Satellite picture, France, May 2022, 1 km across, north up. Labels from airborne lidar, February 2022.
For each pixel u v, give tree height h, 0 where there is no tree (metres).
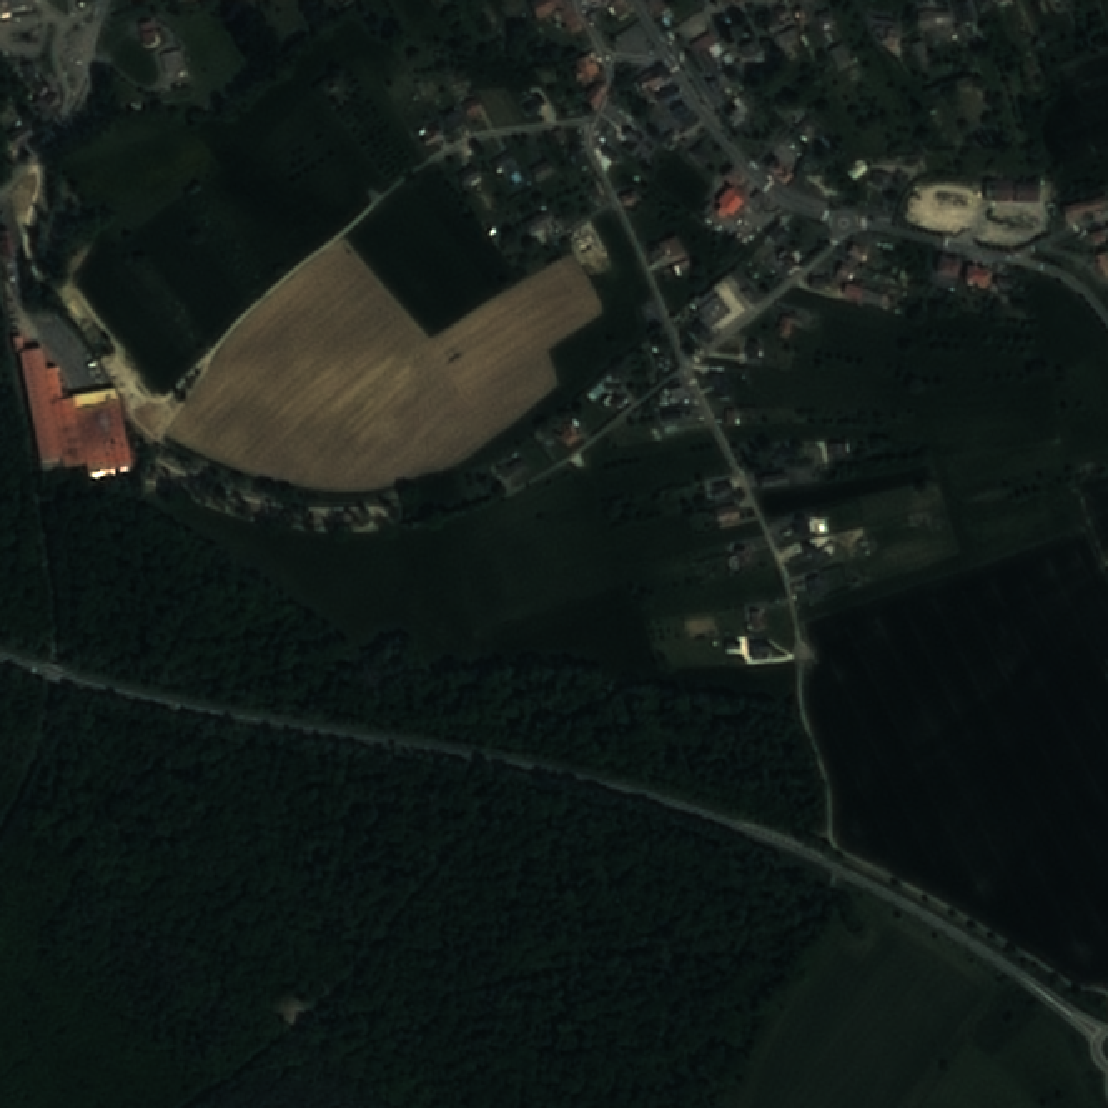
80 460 0
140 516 26
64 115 0
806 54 0
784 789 21
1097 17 6
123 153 0
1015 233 0
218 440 0
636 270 0
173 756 24
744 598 0
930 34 0
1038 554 0
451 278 0
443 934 22
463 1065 23
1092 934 0
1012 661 0
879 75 0
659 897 27
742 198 0
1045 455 0
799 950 21
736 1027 25
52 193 18
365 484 0
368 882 22
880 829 0
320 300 0
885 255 11
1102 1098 0
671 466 0
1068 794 0
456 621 0
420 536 0
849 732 0
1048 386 0
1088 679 0
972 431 0
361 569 0
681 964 25
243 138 0
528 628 0
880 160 0
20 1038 11
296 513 14
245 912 23
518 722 17
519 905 22
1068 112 0
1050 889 0
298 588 0
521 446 0
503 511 0
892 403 0
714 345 0
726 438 0
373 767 20
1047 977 7
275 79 17
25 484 19
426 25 0
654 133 20
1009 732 0
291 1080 20
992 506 0
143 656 25
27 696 8
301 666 25
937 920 0
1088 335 0
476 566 0
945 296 10
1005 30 0
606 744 22
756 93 8
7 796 11
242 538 0
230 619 24
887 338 0
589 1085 25
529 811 25
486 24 11
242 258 7
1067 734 0
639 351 9
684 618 0
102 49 0
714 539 0
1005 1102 0
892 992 0
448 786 25
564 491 0
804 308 0
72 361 0
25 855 12
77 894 20
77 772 27
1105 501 0
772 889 29
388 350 0
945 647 0
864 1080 0
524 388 0
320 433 0
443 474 0
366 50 0
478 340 0
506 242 13
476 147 11
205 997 24
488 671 22
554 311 0
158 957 24
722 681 0
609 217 0
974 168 0
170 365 0
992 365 0
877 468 8
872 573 0
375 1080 21
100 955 25
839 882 0
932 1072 0
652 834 24
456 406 0
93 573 25
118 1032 7
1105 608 0
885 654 0
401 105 0
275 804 22
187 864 25
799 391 0
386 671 12
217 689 17
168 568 27
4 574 25
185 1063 20
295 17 0
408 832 25
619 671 0
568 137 0
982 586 0
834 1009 0
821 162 11
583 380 0
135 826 22
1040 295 0
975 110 0
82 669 13
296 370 0
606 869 22
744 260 0
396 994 22
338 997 22
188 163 0
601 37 0
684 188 0
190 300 0
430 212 0
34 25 0
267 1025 19
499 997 23
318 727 0
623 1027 25
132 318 0
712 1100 15
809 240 0
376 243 0
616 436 0
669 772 19
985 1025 0
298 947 20
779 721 21
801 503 0
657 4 0
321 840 25
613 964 26
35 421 0
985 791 0
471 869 22
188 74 0
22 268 16
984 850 0
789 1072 0
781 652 0
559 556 0
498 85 0
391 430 0
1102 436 0
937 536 0
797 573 0
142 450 16
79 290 0
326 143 0
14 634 15
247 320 0
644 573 0
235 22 7
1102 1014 0
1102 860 0
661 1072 28
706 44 0
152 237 0
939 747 0
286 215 0
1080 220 0
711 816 0
